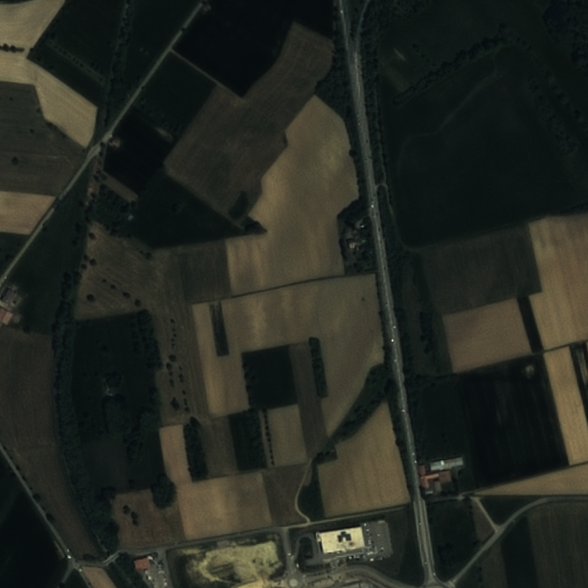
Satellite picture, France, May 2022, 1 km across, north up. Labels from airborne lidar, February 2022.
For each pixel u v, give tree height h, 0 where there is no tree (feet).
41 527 0
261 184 0
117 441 0
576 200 0
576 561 0
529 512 0
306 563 0
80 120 0
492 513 0
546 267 0
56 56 0
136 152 0
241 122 0
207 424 0
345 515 0
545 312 0
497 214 0
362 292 0
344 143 0
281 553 0
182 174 0
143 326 38
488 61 0
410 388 47
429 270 0
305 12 0
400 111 0
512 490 0
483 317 0
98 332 0
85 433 0
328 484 0
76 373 0
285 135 0
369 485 0
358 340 0
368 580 0
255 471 0
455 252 0
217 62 0
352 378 0
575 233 0
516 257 0
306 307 0
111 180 0
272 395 0
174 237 0
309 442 0
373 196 0
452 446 0
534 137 0
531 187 0
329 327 0
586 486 0
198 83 0
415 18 0
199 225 0
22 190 0
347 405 0
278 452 0
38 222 0
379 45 33
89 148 0
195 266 0
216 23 0
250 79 0
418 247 0
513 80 0
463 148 0
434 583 0
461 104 0
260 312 0
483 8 0
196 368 0
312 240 0
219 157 0
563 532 0
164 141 0
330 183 0
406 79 0
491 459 0
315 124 0
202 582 0
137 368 0
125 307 0
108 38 0
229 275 0
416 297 0
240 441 0
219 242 0
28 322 0
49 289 0
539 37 0
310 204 0
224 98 0
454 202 0
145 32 0
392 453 0
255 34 0
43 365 0
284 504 0
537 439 0
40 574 0
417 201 0
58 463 0
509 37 38
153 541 0
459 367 0
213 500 0
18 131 0
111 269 0
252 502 0
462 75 0
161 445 0
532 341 0
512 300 0
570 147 40
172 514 0
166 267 0
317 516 0
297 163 0
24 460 0
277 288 0
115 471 0
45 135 0
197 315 0
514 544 0
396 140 0
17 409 0
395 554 0
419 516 0
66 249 0
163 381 0
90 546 0
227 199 0
